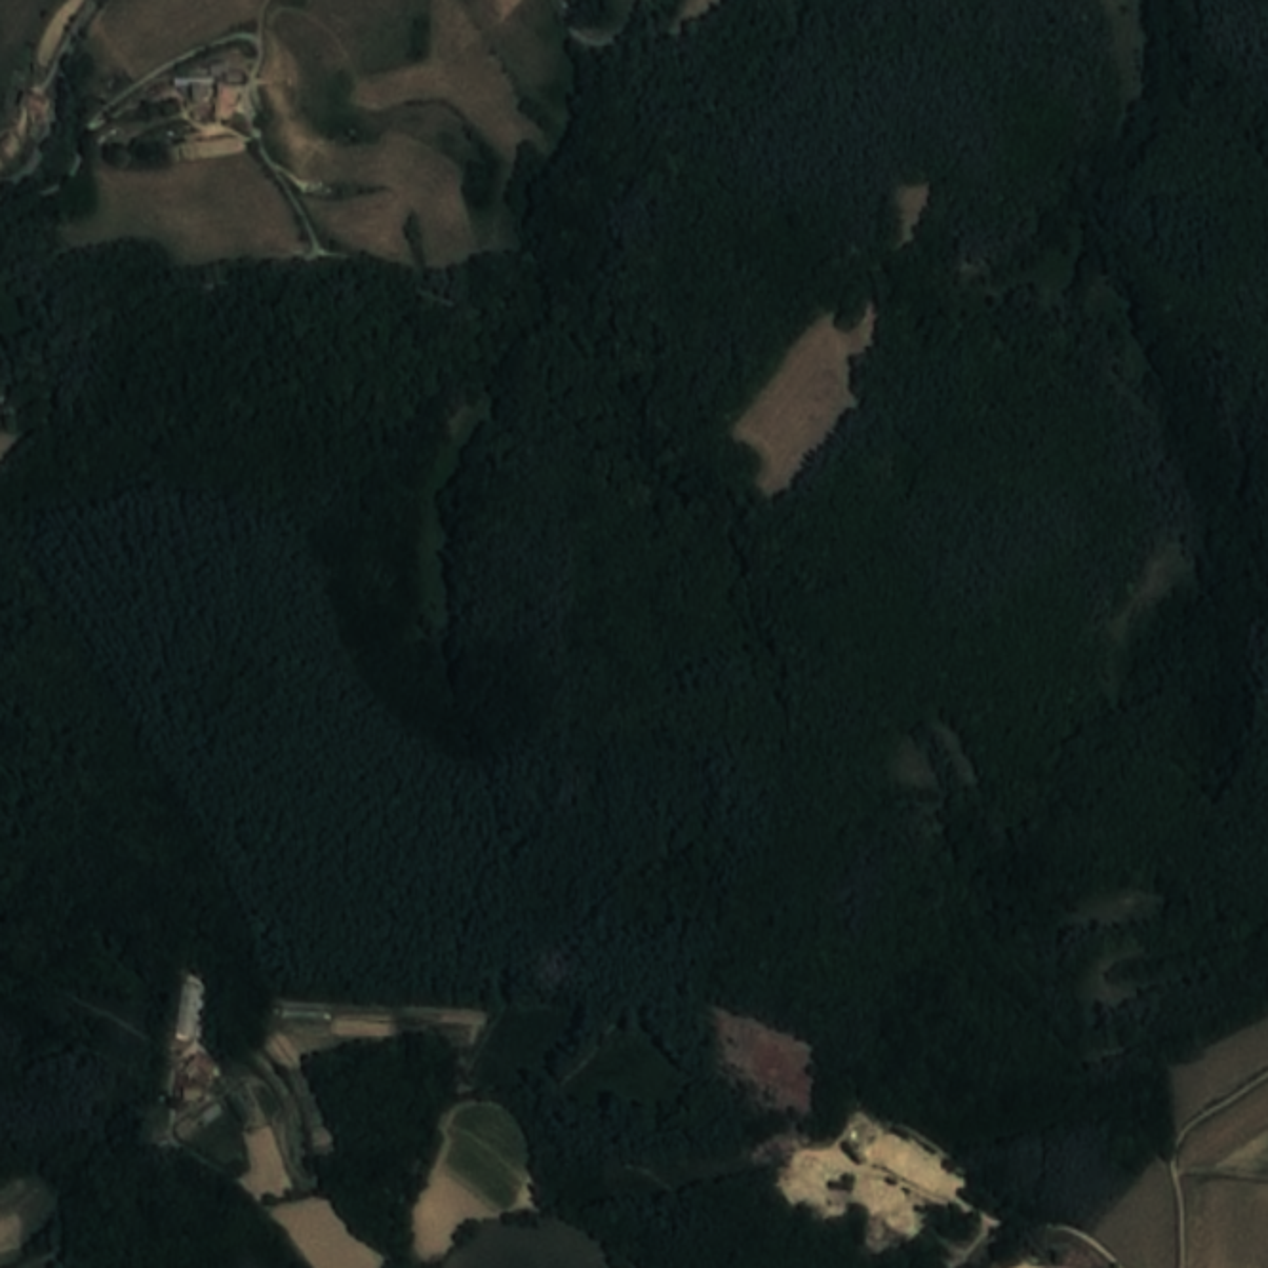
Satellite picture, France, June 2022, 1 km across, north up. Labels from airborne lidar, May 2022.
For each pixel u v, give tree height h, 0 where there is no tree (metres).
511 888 27
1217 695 17
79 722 22
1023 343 22
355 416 17
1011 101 18
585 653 23
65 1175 13
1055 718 22
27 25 0
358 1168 16
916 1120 16
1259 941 14
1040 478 17
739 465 16
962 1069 18
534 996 25
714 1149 21
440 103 0
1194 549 16
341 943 29
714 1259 22
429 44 0
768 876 25
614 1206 23
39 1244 15
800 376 0
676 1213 18
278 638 31
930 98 19
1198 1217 0
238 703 32
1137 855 20
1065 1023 13
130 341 12
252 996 12
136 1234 22
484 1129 0
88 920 21
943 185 11
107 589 32
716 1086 18
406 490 24
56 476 13
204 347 9
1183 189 16
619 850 25
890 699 21
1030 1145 15
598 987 27
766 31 17
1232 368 14
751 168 19
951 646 18
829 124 17
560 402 19
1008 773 20
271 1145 0
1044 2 19
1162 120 18
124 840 18
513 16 0
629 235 23
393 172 0
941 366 13
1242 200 18
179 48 0
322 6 0
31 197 15
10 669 20
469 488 26
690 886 15
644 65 12
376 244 0
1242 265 19
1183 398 23
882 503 17
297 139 0
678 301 22
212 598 30
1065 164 21
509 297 12
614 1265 16
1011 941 20
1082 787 25
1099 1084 9
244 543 27
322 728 37
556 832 25
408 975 29
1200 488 21
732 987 21
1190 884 22
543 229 26
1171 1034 13
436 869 29
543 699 24
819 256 17
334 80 0
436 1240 0
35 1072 25
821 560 20
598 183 20
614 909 31
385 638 24
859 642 17
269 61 0
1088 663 19
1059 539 17
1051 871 24
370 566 26
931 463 14
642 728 22
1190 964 16
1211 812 23
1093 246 15
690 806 22
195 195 0
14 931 26
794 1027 18
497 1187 0
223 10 0
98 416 8
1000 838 16
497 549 21
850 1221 12
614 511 20
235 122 0
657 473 25
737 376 19
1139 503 24
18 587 22
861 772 18
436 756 23
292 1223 0
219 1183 14
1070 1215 13
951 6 17
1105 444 20
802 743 22
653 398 21
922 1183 0
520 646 22
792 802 25
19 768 21
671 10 10
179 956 20
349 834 32
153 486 15
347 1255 0
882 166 20
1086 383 18
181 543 33
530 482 19
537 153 13
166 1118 0
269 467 16
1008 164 13
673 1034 27
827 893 22
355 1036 0
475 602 22
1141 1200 0
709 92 21
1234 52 19
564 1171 23
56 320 20
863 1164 0
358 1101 19
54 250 10
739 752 21
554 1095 24
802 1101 0
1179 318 19
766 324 19
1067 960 18
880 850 16
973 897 20
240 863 29
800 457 0
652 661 20
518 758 33
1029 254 10
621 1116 27
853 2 19
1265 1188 0
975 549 16
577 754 25
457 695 25
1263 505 23
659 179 24
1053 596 16
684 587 19
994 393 20
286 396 15
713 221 22
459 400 20
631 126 20
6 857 20
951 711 19
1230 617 23
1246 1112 0
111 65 0
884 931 20
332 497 14
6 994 8
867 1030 19
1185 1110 0
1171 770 18
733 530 22
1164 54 29
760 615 19
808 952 19
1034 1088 15
